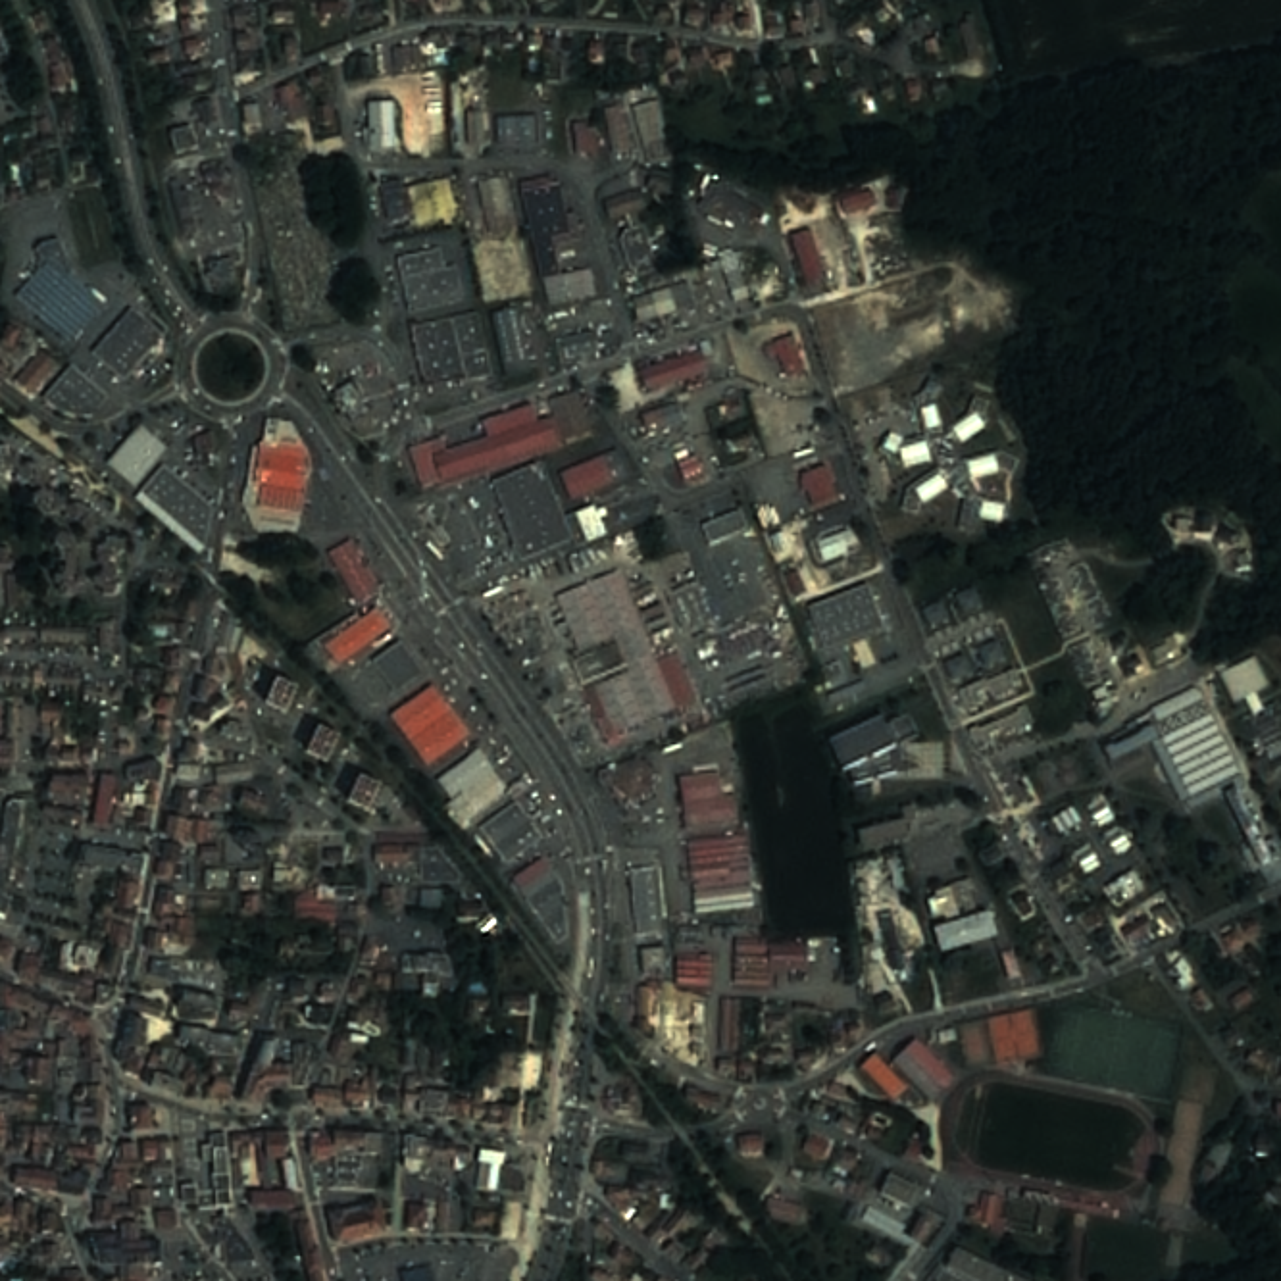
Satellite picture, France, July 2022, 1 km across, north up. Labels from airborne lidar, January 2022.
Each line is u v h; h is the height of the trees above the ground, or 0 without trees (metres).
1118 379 21
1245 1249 15
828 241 0
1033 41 0
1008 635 0
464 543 0
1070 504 24
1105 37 0
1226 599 11
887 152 21
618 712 0
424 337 0
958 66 0
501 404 0
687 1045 0
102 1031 0
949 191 12
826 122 0
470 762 0
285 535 11
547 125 0
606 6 0
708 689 0
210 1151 0
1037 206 21
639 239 0
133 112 7
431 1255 0
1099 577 0
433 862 0
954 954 20
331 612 0
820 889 0
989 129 20
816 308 0
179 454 0
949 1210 0
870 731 0
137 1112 0
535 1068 0
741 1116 0
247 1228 0
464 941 13
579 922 0
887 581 0
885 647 0
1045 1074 0
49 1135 0
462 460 0
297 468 0
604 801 0
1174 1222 0
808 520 0
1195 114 30
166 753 0
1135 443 24
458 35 0
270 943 10
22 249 0
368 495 0
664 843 0
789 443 0
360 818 7
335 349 0
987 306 0
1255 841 0
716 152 15
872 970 0
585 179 0
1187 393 16
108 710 0
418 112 0
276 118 0
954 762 0
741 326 9
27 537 15
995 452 0
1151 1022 0
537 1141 0
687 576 0
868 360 0
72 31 7
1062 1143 0
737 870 0
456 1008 8
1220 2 0
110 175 6
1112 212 24
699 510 0
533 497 0
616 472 0
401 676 0
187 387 0
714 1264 14
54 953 6
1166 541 23
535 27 0
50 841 0
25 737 0
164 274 0
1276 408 0
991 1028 0
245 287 0
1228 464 26
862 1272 7
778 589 0
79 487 0
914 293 0
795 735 0
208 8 0
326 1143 0
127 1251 0
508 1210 0
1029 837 0
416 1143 0
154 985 0
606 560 0
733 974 0
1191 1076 0
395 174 0
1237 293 0
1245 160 16
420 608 0
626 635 0
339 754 0
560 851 0
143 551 0
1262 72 24
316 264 0
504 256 0
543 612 0
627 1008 0
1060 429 20
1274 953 7
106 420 0
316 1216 0
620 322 0
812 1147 0
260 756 0
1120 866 0
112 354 0
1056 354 20
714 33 0
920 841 0
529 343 0
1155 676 0
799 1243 7
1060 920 0
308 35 0
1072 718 0
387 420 0
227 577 10
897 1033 0
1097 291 7
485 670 0
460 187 0
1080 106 22
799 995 0
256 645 0
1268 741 0
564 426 0
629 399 0
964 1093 0
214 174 0
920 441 0
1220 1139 10
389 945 0
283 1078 0
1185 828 16
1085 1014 0
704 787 0
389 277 0
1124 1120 0
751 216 0
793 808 0
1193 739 0
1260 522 28
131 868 0
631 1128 0
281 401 0
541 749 0
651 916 0
